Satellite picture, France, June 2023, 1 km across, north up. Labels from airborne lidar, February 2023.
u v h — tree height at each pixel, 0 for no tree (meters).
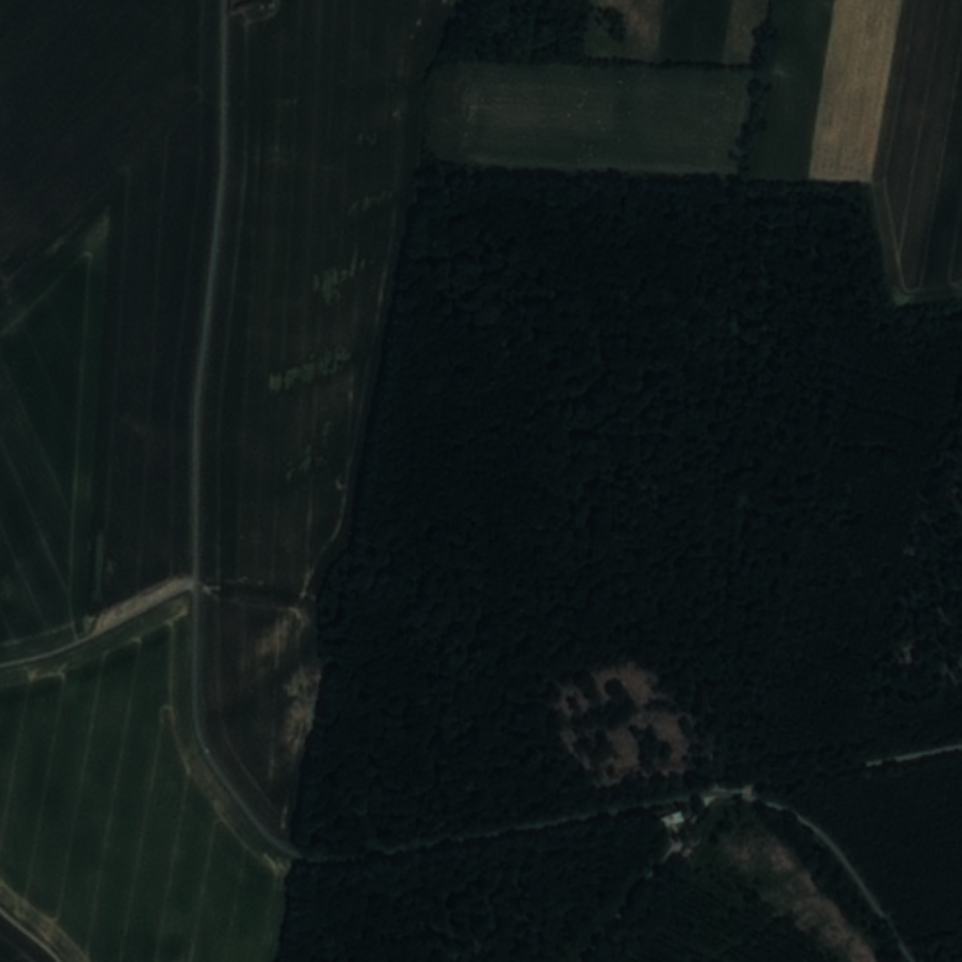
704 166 0
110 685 0
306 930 21
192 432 0
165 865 0
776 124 0
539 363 24
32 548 0
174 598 0
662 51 0
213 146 0
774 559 21
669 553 18
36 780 0
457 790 21
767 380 22
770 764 20
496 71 0
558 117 0
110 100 0
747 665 18
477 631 22
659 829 18
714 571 19
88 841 0
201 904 0
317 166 0
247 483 0
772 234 21
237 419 0
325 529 0
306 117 0
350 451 0
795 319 23
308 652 0
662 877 17
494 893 18
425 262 25
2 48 0
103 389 0
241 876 0
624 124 0
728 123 0
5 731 0
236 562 0
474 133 0
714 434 19
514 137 0
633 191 21
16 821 0
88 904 0
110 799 0
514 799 19
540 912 15
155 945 0
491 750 23
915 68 0
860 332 17
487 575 22
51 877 0
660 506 19
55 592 0
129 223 0
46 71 0
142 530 0
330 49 0
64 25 0
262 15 0
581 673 19
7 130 0
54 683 0
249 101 0
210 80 0
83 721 0
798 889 0
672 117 0
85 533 0
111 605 0
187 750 0
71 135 0
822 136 0
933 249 0
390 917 17
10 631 0
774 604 21
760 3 0
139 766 0
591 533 23
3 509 0
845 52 0
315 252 0
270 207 0
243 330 0
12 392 0
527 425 23
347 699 23
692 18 0
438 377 22
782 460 22
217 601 0
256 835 0
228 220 0
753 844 0
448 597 24
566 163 0
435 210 22
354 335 0
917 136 0
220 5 0
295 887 18
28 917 0
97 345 0
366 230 0
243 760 0
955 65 0
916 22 0
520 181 21
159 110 0
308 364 0
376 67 0
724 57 0
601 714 17
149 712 0
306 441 0
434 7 0
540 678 17
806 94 0
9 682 0
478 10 23
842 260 23
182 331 0
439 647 19
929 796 12
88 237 0
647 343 19
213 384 0
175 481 0
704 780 13
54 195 0
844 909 18
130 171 0
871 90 0
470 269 26
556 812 17
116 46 0
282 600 0
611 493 22
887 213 0
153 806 0
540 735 23
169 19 0
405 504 20
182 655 0
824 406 20
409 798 25
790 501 21
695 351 18
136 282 0
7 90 0
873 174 0
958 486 23
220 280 0
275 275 0
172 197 0
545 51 6
